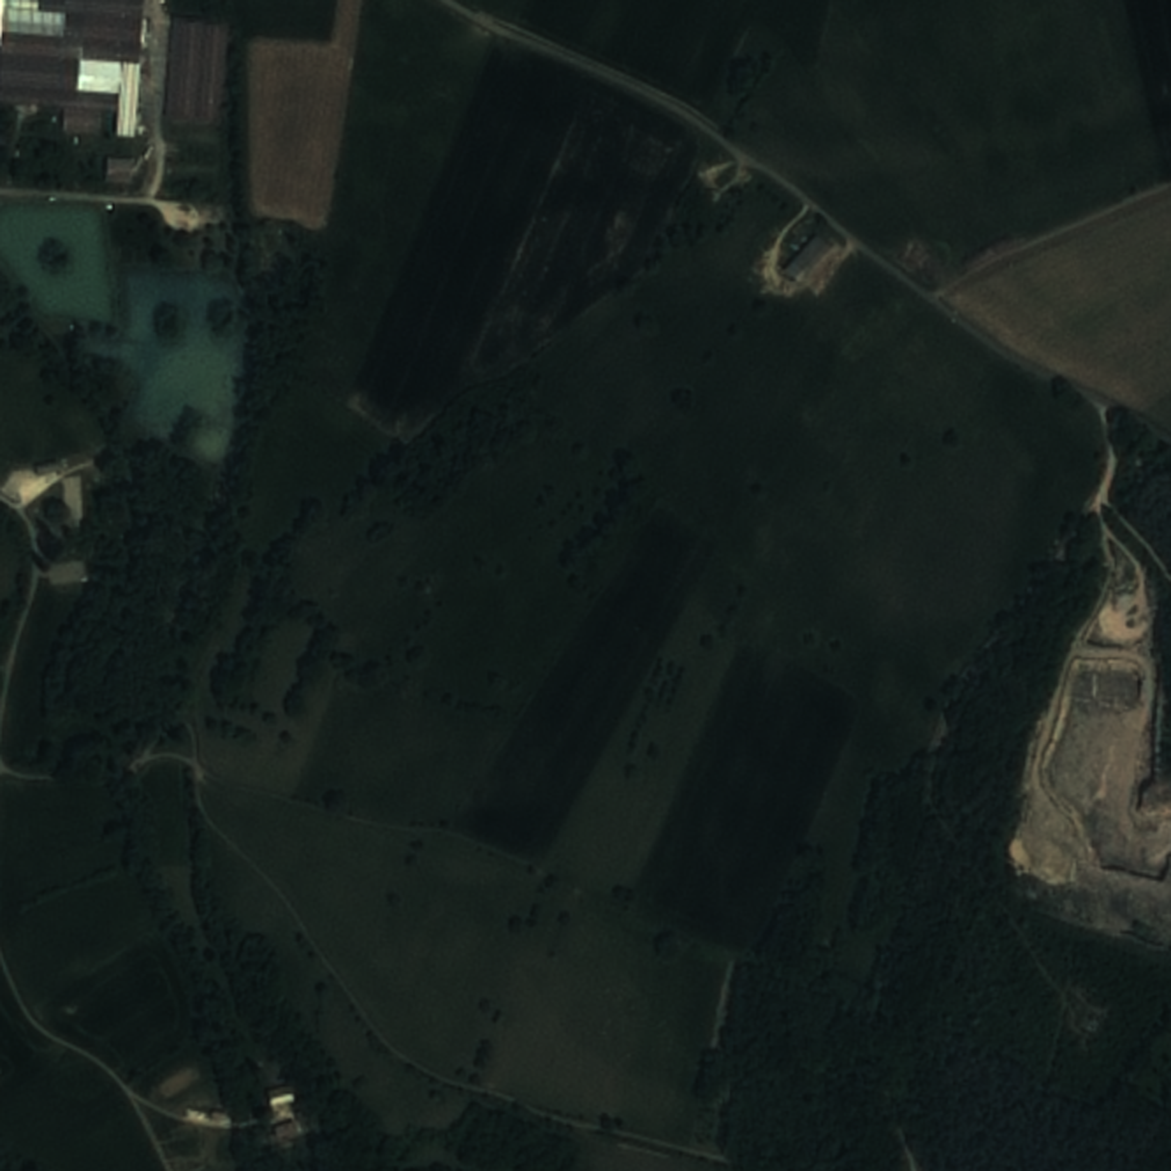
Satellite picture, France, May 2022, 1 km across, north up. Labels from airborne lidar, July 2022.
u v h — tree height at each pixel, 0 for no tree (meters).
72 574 0
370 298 0
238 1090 17
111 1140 0
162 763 0
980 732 14
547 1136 7
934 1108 18
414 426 0
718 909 0
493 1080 0
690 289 0
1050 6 0
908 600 0
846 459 0
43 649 0
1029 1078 17
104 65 0
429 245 0
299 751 0
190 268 0
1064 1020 6
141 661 27
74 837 0
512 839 0
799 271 0
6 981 0
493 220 0
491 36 0
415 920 0
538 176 0
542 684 0
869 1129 22
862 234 0
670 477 0
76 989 0
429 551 0
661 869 0
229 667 14
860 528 0
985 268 0
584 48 0
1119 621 0
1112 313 0
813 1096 18
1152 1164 20
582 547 19
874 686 0
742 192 9
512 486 0
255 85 0
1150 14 0
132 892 0
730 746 0
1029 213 0
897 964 16
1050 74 0
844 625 0
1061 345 0
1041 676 12
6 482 0
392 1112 0
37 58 0
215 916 14
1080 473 0
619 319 0
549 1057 0
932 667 0
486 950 0
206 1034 21
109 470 20
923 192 0
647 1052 0
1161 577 7
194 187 11
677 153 0
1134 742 0
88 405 11
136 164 0
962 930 12
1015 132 0
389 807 0
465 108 0
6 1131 0
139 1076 9
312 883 0
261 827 0
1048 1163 20
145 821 20
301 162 0
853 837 0
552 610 0
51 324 0
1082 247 0
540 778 0
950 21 0
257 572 23
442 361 0
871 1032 19
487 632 0
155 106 0
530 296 0
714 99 0
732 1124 18
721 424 0
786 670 0
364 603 0
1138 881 0
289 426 0
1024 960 6
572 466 0
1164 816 0
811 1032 19
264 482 0
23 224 0
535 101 0
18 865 0
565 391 0
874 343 0
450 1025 0
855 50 0
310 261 16
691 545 0
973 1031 14
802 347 0
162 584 27
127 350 0
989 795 8
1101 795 0
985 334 0
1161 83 0
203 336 0
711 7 0
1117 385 0
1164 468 5
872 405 0
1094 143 0
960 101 0
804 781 0
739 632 0
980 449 0
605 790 0
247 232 17
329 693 0
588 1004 0
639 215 0
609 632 0
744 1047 14
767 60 11
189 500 24
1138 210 0
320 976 0
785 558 0
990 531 0
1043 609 14
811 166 0
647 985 0
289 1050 13
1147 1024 6
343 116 0
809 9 0
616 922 0
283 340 21
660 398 0
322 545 0
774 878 0
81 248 0
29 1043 0
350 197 0
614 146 0
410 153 0
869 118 0
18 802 0
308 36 0
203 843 10
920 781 13
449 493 13
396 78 0
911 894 14
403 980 0
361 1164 15
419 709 0
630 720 0
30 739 0
